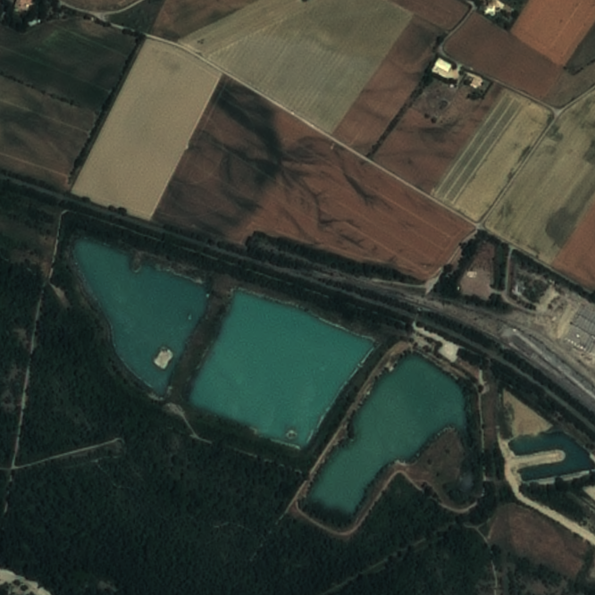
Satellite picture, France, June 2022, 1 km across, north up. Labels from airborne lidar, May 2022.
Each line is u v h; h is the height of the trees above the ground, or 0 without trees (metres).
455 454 0
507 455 0
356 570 18
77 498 19
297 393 0
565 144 0
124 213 13
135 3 0
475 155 0
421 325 13
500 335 0
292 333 0
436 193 0
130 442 11
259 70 0
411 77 0
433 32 0
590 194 0
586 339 0
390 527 8
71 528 20
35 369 10
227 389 0
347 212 0
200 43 0
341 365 0
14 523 18
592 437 11
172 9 0
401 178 0
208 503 12
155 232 9
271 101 0
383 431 0
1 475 16
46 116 0
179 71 0
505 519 0
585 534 0
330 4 0
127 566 25
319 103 0
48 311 14
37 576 18
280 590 20
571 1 0
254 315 0
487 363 8
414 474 0
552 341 0
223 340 0
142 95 0
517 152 0
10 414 13
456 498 13
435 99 0
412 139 0
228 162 0
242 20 0
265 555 16
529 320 0
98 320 9
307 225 0
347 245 0
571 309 0
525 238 0
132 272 0
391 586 16
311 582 14
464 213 0
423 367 0
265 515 7
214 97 0
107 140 0
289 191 0
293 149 0
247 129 0
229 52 0
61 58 0
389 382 0
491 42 0
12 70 0
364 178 0
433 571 9
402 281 10
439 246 0
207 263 10
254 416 0
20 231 0
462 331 18
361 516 0
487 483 11
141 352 0
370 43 0
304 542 13
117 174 0
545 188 0
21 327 6
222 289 0
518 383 10
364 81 0
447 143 0
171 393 0
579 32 0
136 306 0
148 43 0
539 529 0
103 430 10
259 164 0
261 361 0
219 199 0
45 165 0
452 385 0
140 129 0
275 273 11
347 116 0
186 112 0
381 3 0
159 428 10
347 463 0
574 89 0
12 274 17
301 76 0
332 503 0
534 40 0
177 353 0
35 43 0
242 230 0
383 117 0
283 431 0
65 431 6
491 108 0
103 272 0
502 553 17
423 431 0
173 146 0
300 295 10
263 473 8
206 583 16
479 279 0
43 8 15
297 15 0
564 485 16
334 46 0
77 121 0
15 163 0
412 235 0
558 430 0
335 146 0
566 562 0
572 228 0
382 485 0
